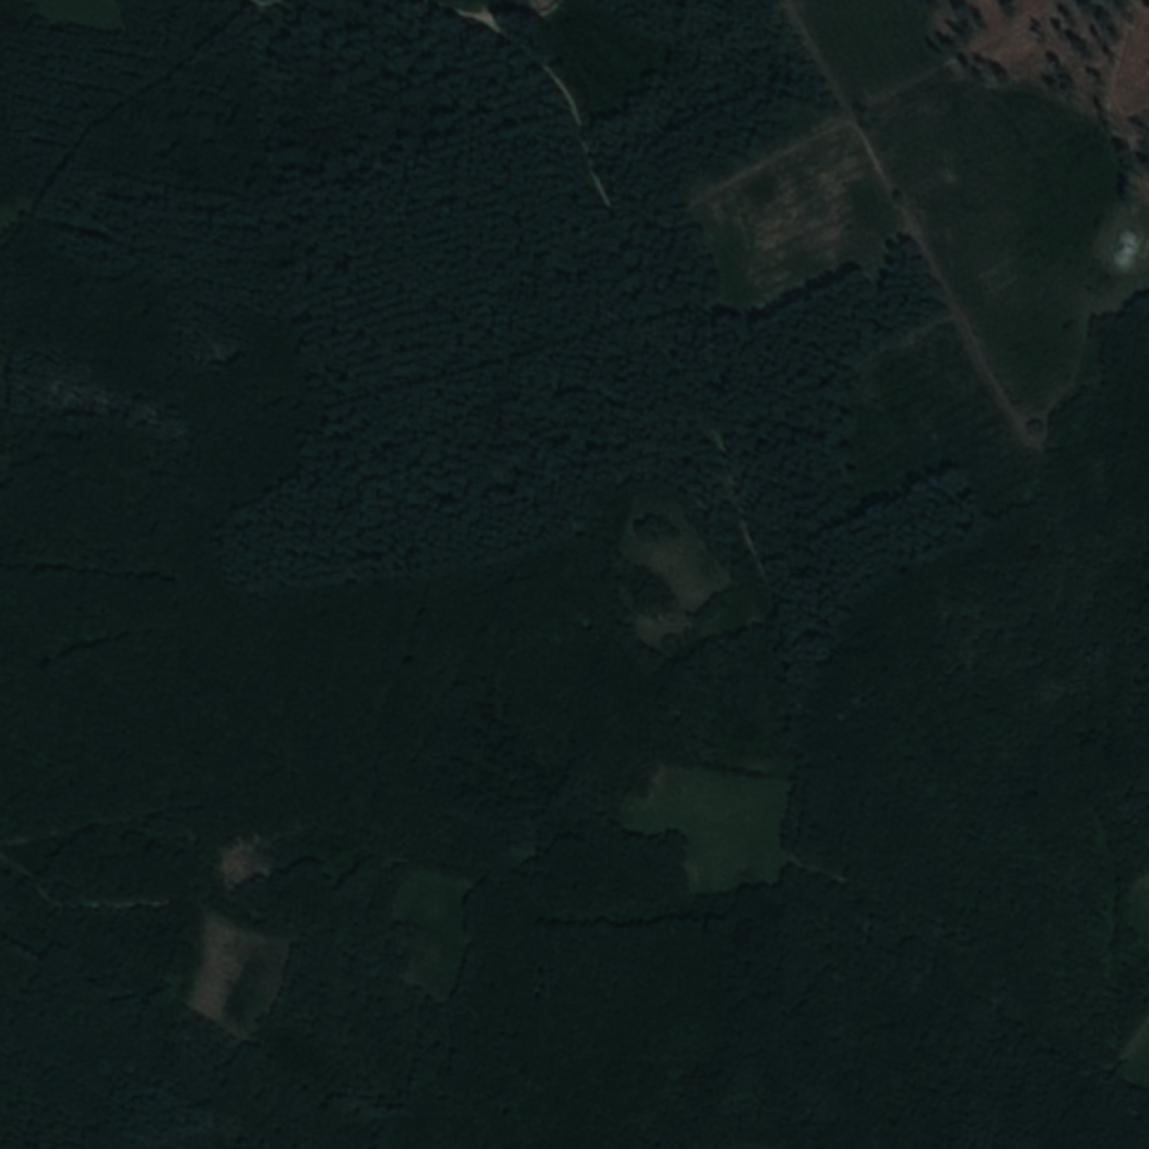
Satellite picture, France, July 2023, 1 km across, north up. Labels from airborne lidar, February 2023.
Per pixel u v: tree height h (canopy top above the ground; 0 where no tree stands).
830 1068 16
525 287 29
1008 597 10
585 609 17
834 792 15
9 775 17
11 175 21
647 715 19
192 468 16
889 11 0
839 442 32
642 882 22
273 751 17
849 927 20
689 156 35
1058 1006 18
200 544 16
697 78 21
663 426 24
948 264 0
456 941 0
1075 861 14
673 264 34
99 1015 18
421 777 17
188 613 16
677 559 0
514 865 14
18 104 19
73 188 28
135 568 19
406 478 34
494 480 33
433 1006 11
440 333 36
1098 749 22
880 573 34
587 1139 27
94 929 9
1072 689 11
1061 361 0
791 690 19
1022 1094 14
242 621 18
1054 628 15
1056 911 13
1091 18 28
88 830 10
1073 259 0
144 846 9
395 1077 7
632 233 23
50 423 19
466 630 19
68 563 11
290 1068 6
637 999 20
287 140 10
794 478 33
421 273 33
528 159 36
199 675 14
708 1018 23
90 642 8
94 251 28
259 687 17
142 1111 23
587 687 20
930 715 19
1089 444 10
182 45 15
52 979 15
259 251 23
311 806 15
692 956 21
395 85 33
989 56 28
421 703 18
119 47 21
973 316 0
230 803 16
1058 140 0
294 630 15
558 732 20
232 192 21
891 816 15
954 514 31
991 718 16
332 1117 13
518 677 16
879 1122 18
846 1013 19
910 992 16
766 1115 16
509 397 25
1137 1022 13
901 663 18
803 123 0
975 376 0
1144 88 34
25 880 7
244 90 22
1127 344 20
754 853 0
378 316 33
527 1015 18
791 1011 16
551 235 38
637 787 19
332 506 32
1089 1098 19
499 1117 21
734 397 30
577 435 27
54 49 21
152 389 19
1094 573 9
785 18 15
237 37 27
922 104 0
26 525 21
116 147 17
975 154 0
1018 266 0
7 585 18
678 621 0
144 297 20
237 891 16
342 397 26
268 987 0
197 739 20
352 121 10
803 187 0
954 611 8
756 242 0
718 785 0
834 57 0
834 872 7
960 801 12
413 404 33
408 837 14
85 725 17
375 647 17
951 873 20
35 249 15
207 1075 13
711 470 33
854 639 21
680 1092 19
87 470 22
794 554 22
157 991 6
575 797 17
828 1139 18
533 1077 21
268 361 19
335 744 18
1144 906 0
